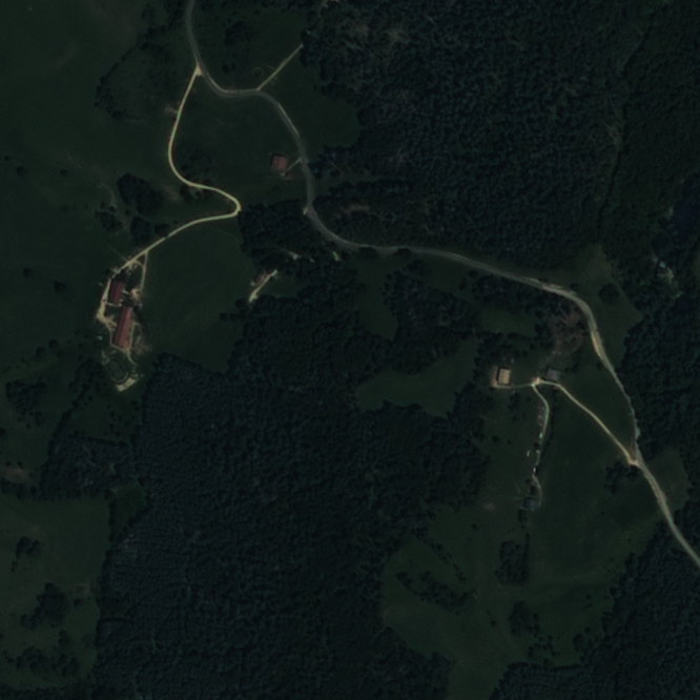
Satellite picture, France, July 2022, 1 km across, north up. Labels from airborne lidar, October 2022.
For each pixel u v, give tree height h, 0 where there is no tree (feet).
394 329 0
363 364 64
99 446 66
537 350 25
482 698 0
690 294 82
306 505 44
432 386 0
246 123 0
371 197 85
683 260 56
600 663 57
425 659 54
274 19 0
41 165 0
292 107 0
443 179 76
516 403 35
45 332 0
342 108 0
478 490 24
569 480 0
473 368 0
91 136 0
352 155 74
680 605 52
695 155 89
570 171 91
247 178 0
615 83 96
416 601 0
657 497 0
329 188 0
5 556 0
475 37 80
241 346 46
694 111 88
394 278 36
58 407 0
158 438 88
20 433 0
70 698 33
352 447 67
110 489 68
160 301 0
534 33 82
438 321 56
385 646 60
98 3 0
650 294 84
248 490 62
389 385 0
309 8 91
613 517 0
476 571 0
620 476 88
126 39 0
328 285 75
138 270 0
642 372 82
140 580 55
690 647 92
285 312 73
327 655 26
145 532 77
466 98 92
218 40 0
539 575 0
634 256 78
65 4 0
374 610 63
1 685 32
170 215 0
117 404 0
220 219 0
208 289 0
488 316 0
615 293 31
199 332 0
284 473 84
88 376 23
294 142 0
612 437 0
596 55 94
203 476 61
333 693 48
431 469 93
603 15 48
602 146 77
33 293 0
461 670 0
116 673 61
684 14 75
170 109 0
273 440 79
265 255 70
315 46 106
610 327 0
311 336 25
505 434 0
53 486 65
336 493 66
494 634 0
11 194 0
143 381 0
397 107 79
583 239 58
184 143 0
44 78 0
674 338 64
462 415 67
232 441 94
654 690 65
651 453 72
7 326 0
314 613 51
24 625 31
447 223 86
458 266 0
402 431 74
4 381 0
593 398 0
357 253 23
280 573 72
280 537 42
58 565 0
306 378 40
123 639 72
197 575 61
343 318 68
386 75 70
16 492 18
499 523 0
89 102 0
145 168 0
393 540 43
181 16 51
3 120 0
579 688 61
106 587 44
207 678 58
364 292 33
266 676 76
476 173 28
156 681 57
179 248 0
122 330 0
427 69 36
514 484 0
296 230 107
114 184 0
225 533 68
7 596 0
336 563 69
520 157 77
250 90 0
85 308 0
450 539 0
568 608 0
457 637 0
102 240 0
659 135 65
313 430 55
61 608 38
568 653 0
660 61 79
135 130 0
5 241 0
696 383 69
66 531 0
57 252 0
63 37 0
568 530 0
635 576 73
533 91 89
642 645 77
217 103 0
